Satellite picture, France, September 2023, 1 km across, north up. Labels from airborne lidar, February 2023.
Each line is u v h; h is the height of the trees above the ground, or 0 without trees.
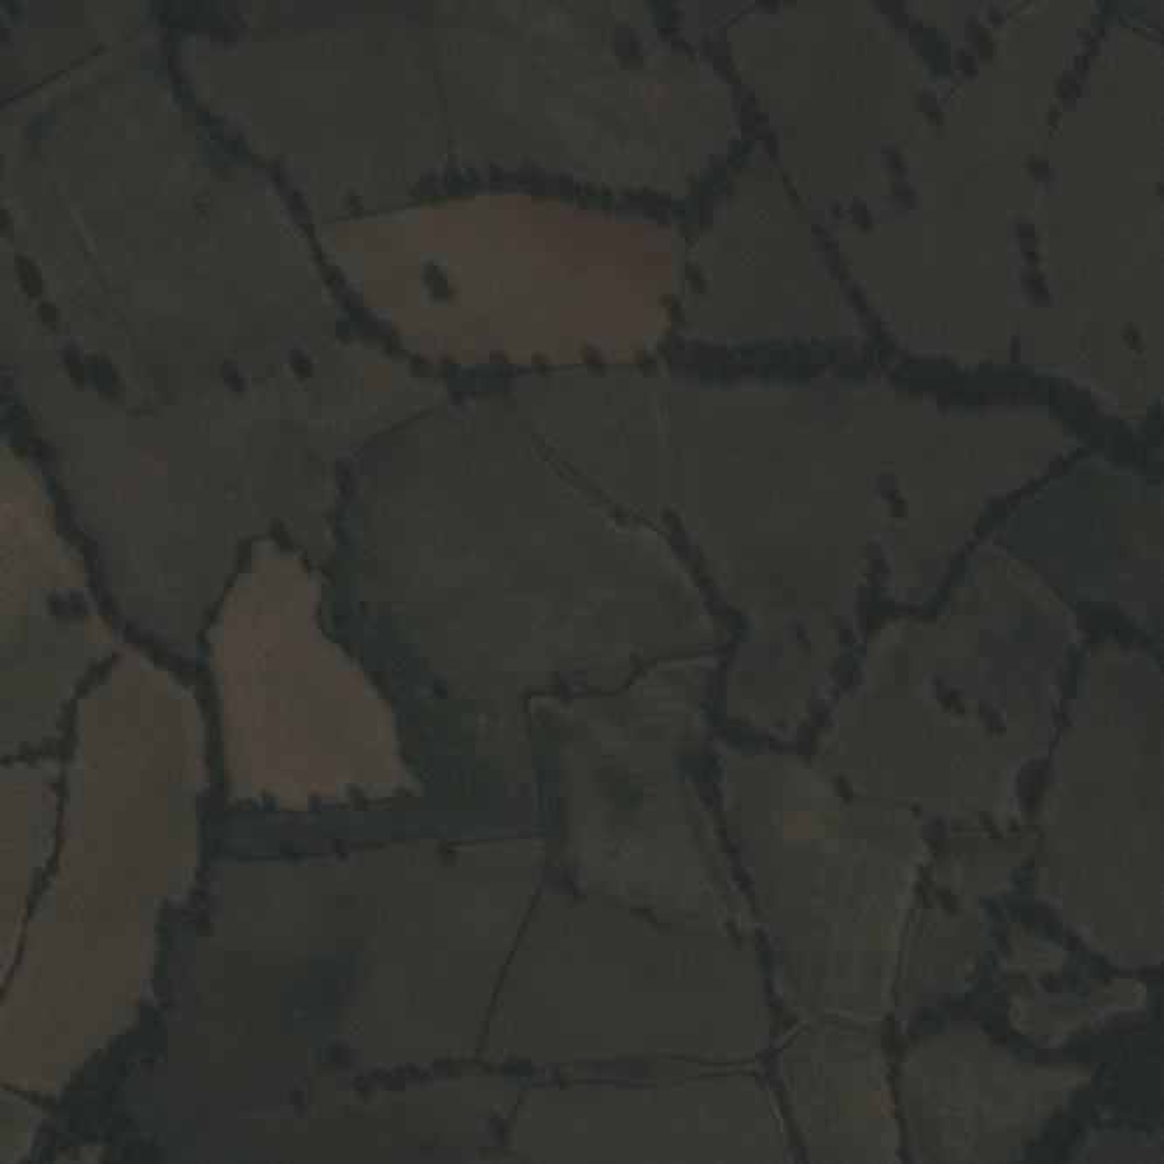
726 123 0
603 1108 0
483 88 0
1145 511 0
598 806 0
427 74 0
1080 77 11
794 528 0
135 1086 0
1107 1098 12
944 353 0
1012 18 0
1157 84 0
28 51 0
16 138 0
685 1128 0
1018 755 0
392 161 0
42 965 0
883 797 0
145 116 0
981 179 0
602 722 0
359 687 0
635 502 0
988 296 0
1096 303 0
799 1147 10
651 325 0
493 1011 0
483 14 0
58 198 0
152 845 0
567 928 0
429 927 0
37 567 0
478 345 0
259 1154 0
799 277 0
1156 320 0
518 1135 0
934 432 0
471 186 12
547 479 0
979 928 0
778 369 21
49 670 0
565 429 0
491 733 0
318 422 0
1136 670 0
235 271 0
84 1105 13
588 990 0
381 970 0
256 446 0
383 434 0
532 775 0
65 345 0
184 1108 0
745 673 0
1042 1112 0
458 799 0
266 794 0
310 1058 0
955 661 0
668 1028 0
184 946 0
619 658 0
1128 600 0
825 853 0
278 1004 0
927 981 0
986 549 0
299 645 0
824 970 0
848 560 0
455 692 0
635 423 0
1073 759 0
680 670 0
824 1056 0
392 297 0
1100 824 0
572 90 0
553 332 0
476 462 0
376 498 0
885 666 0
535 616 0
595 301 0
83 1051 0
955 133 0
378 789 0
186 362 0
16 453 5
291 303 0
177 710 0
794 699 0
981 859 0
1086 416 26
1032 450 0
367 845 0
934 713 0
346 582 0
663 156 0
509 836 0
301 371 16
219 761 6
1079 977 17
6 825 0
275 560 0
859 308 20
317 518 0
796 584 0
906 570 0
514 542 0
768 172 0
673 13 20
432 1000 0
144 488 0
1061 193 0
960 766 0
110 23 0
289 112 0
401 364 0
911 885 0
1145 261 0
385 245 0
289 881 0
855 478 0
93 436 0
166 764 0
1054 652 0
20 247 0
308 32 0
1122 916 0
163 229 0
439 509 0
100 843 0
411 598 0
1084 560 0
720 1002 0
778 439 0
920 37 17
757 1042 0
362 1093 13
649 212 15
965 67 16
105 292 0
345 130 0
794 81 0
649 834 0
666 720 0
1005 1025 12
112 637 10
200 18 22
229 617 0
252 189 0
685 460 0
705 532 0
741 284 0
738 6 0
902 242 0
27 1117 0
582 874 0
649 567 0
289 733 0
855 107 0
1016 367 6
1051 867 0
